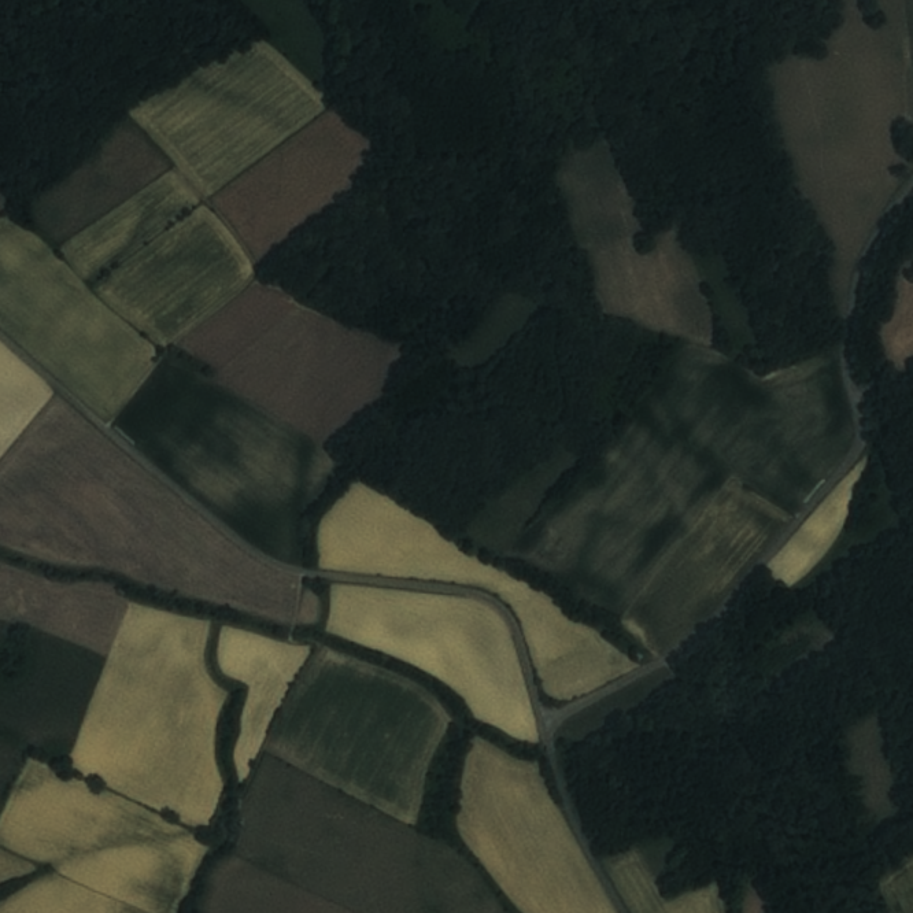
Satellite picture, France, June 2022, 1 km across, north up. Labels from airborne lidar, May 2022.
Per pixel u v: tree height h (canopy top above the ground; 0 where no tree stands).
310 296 16
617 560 0
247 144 0
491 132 15
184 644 0
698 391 0
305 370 0
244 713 0
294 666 0
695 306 0
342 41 29
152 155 0
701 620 0
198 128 0
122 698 0
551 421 7
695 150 27
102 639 0
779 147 19
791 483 0
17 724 0
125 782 0
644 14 25
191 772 0
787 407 0
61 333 0
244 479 0
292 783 0
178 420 0
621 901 0
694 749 10
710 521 0
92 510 0
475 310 24
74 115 29
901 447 21
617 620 7
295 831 0
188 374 0
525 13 22
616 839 19
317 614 0
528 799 0
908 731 20
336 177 0
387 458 20
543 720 0
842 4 13
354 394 0
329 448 13
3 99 28
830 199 0
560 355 20
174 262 0
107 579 9
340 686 0
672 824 22
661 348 11
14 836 0
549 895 0
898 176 22
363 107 25
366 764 0
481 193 21
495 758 0
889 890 0
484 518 0
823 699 25
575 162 0
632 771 23
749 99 27
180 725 0
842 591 18
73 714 0
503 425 17
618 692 0
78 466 0
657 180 24
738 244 25
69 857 0
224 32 28
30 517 0
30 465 0
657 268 0
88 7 23
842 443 0
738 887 28
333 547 0
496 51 17
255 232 0
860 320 19
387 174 26
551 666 0
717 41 29
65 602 0
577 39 15
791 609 21
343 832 0
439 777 9
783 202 29
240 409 0
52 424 0
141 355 0
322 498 10
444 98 18
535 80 12
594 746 17
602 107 16
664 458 0
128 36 27
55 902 0
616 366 16
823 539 0
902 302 0
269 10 0
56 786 0
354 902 0
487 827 0
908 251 21
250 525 0
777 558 0
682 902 0
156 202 0
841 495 0
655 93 26
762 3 26
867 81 0
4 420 0
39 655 0
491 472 20
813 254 14
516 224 19
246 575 0
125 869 0
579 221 0
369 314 20
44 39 30
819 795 25
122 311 0
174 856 0
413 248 28
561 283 22
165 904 0
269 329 0
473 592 0
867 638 18
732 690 22
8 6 27
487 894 0
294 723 0
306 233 18
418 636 0
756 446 0
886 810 0
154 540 0
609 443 15
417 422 23
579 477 13
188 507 0
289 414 0
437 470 22
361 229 19
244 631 0
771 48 27
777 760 19
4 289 0
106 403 0
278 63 0
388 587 0
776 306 28
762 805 30
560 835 0
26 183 27
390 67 12
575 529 0
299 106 0
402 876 0
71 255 0
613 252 0
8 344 0
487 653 0
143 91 26
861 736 0
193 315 0
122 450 0
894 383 21
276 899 0
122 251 0
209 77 0
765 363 14
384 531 0
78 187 0
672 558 0
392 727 0
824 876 23
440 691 16
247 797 0
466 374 18
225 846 8
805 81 0
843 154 0
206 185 0
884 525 0
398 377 24
